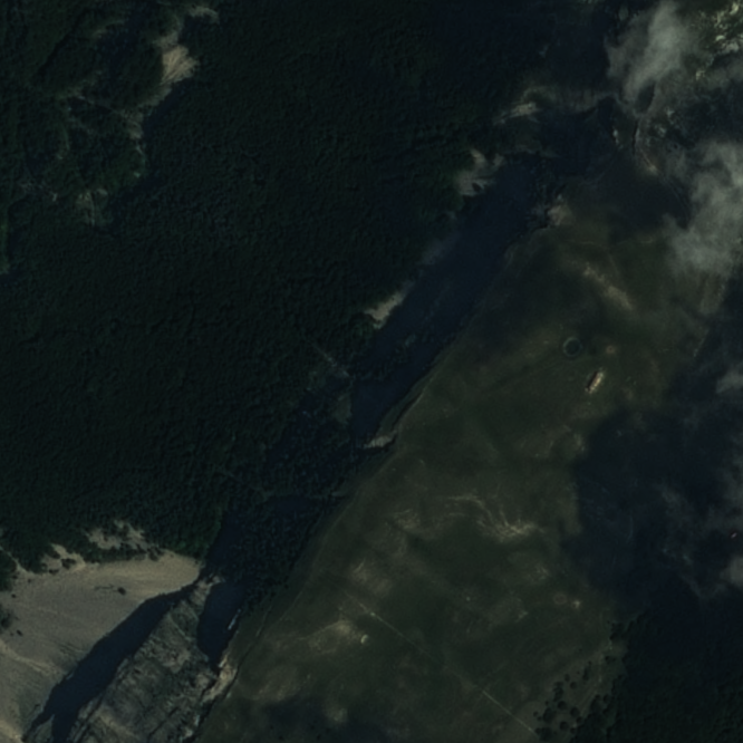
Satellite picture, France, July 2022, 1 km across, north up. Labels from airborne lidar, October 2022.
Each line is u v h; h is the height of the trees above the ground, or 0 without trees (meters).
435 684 0
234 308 19
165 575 0
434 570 0
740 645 20
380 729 0
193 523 21
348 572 0
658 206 0
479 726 0
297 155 25
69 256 26
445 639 0
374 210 24
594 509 0
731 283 0
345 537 0
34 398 21
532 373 0
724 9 0
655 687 16
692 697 19
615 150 0
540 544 0
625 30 0
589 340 0
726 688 23
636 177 0
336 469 7
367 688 0
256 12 15
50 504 20
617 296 0
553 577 0
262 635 0
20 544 13
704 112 0
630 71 0
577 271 0
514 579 0
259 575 15
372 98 18
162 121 17
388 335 0
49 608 0
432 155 22
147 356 21
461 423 0
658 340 0
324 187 21
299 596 0
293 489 12
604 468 0
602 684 0
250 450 16
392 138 12
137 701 0
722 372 0
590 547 0
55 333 21
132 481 17
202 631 0
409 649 0
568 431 0
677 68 0
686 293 0
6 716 0
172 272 22
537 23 9
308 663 0
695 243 0
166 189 20
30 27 13
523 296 0
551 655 0
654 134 0
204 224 23
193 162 28
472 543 0
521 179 0
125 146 13
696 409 0
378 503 0
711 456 0
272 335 19
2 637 0
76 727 0
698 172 0
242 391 20
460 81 20
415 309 0
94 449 22
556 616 0
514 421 0
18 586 0
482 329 0
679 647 15
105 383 19
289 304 18
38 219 20
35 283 21
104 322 21
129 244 21
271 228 24
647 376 0
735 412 0
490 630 0
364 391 0
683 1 0
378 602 0
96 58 11
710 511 14
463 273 0
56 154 8
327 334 19
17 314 21
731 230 0
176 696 0
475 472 0
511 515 0
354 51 24
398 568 0
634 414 0
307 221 20
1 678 0
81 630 0
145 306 18
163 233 23
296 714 0
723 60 0
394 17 17
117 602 0
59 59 30
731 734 21
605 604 0
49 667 0
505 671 0
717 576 13
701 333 0
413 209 27
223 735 0
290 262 18
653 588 0
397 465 0
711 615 19
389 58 20
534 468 0
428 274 0
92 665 0
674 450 0
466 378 0
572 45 0
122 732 0
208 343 21
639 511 0
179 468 21
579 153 0
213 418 22
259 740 0
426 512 0
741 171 0
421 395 0
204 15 0
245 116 21
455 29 14
